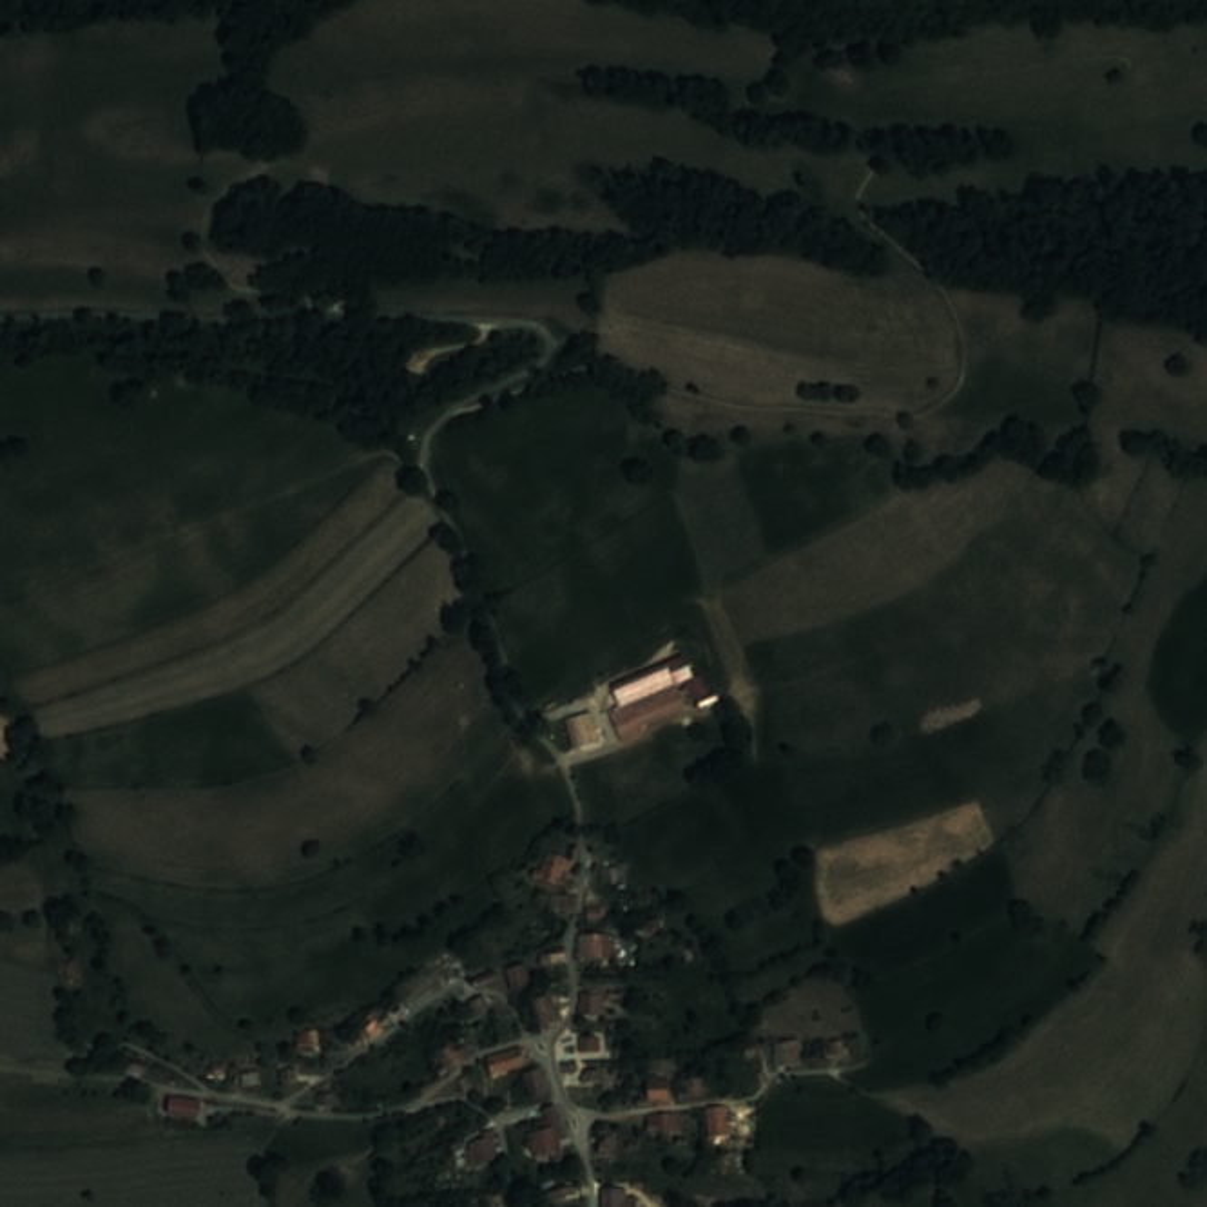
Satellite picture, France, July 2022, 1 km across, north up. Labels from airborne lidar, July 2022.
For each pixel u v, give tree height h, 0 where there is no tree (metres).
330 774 0
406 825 0
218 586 0
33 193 0
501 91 0
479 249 12
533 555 0
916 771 0
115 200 0
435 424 0
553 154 0
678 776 0
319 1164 0
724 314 0
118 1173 0
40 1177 0
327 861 0
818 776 0
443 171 0
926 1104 0
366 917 0
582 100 0
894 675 0
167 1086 0
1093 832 0
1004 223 11
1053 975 0
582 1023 11
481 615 19
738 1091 0
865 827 0
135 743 0
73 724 0
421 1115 5
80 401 0
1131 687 0
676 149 0
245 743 0
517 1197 22
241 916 0
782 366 0
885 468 0
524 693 23
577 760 0
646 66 0
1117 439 0
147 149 0
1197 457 9
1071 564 0
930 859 0
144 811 0
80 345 20
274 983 0
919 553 0
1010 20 18
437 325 11
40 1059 0
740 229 25
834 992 0
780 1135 0
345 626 0
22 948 0
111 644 0
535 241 19
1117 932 0
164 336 16
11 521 0
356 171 0
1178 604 0
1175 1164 0
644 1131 6
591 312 9
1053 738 0
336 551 0
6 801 0
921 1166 19
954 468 11
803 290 0
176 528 0
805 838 0
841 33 30
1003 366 0
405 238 17
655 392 17
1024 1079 0
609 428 0
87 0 18
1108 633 0
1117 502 0
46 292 0
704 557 0
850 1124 0
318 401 16
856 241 21
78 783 0
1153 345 0
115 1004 7
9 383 0
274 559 0
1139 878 9
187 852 0
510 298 0
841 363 0
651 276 0
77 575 0
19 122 0
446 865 0
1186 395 0
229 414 0
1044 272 16
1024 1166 0
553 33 0
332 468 0
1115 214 24
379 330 16
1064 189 21
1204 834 0
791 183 0
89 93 0
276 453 0
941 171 21
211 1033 0
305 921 0
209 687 0
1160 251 12
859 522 0
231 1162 0
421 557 0
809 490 0
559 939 9
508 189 0
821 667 0
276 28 23
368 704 14
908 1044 0
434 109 0
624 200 21
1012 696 0
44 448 0
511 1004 7
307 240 15
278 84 0
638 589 0
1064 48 0
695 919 11
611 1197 0
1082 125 0
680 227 24
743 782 0
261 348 17
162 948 20
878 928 0
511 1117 0
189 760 0
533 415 0
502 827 0
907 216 21
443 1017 12
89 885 9
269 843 0
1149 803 0
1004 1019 0
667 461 0
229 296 0
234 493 0
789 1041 0
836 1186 0
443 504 19
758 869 0
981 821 0
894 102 0
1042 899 0
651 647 0
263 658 0
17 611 0
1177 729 0
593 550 0
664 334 0
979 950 0
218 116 24
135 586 0
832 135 23
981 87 0
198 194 19
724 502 0
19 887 0
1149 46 0
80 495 0
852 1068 0
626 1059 8
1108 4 34
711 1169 0
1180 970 0
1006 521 0
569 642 0
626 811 0
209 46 0
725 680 0
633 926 9
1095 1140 0
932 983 0
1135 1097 0
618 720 0
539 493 0
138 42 0
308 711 0
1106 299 16
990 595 0
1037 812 0
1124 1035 0
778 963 11
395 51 0
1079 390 13
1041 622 0
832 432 0
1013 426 13
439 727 0
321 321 18
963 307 0
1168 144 0
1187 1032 0
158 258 0
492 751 0
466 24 0
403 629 0
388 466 0
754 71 0
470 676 0
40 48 0
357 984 0
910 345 0
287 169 0
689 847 0
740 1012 15
